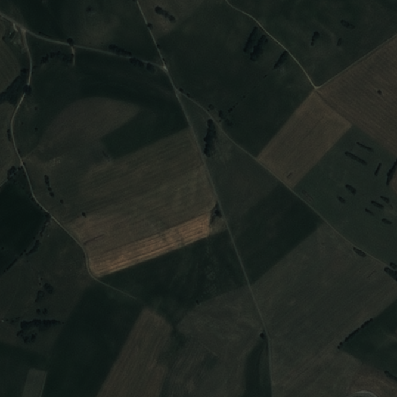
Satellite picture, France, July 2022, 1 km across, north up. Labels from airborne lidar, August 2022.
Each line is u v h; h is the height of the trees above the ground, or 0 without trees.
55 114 0
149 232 0
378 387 0
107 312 0
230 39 0
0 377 0
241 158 0
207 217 0
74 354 0
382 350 0
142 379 0
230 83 0
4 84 0
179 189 0
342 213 0
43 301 0
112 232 0
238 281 0
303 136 0
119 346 0
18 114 0
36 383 0
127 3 0
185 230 0
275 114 0
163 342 0
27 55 0
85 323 0
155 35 0
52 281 0
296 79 0
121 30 0
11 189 0
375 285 0
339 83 0
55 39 0
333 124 0
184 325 0
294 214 0
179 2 0
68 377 0
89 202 0
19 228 0
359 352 0
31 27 0
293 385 0
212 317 0
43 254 0
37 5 0
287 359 0
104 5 0
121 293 0
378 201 0
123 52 18
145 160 0
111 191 0
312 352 0
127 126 0
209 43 0
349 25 9
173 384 0
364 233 0
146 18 0
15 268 0
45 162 0
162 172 0
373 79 0
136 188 0
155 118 0
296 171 0
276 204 0
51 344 0
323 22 0
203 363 0
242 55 0
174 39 0
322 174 0
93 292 0
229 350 0
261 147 0
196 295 0
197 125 0
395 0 0
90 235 0
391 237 0
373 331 0
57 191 0
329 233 0
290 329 0
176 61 0
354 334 7
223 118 14
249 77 0
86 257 0
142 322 0
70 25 0
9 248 0
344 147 0
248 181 0
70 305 0
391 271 7
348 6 0
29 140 0
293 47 0
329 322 0
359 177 0
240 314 0
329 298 0
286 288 0
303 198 0
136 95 0
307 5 0
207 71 0
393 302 0
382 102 0
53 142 0
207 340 0
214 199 0
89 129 0
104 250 0
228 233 0
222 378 0
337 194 0
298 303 0
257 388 0
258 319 0
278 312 0
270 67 0
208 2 0
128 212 0
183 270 0
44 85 0
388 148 0
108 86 0
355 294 0
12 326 0
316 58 0
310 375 0
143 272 0
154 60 0
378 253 0
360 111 0
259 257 0
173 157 0
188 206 0
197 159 0
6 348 0
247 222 0
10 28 0
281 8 0
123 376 0
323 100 0
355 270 0
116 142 0
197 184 0
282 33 0
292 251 0
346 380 0
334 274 0
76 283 0
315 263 0
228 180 0
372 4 0
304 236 0
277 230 0
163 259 0
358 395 0
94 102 0
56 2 0
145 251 0
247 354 0
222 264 0
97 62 0
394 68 0
